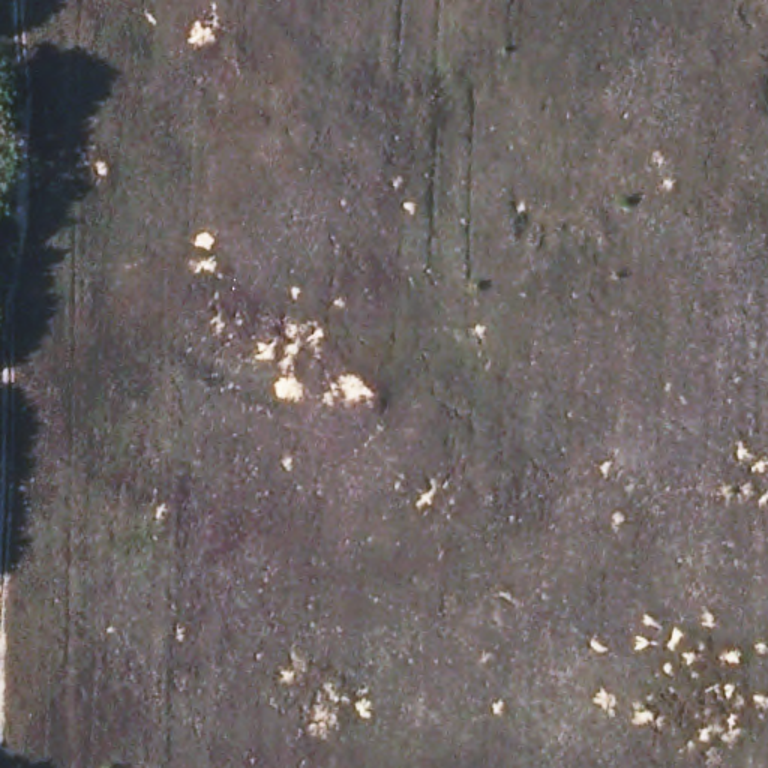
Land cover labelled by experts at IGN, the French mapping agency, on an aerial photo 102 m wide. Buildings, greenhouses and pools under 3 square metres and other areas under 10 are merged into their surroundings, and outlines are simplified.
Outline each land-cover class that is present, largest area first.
<instances>
[{"label":"herbaceous vegetation","instance_id":"1","mask_svg":"<svg viewBox=\"0 0 768 768\"><path fill-rule=\"evenodd\" d=\"M210 3H213V0H0V36H18V45H36L30 60H12L6 66V90L12 96L6 129L27 141V156L18 159V174L3 195L9 210L6 216H0V576H9L6 732L0 738V768H768V0H216V3H219V30L213 33V39H210V42H204V45H195V42H192V27H195V24H201V27H204L207 21H210ZM303 321H318L324 330L321 342L339 357V363L354 378H360L372 390L375 408L381 411L384 423L381 444H390L396 465L405 474L399 492H372L357 501L354 513H339L327 507L321 495H312L306 504H297V489L288 480V468H282V459L294 456L303 444V411L291 399L276 396V390H270L264 381L231 375L237 357L255 354L261 342L270 345L276 336L288 330V324ZM618 414L642 420L645 441H654L651 459L657 477H639L636 492H627V486L612 471L600 474V465L609 456L603 435L615 426ZM645 615H651L657 624L669 630H681V642L675 648L639 651L636 630ZM327 681H333L336 690L354 702H360L357 690L366 687L369 717H360L357 711L339 705L336 726H330L327 735L318 738L309 732V723L315 717L318 693ZM729 714L738 717L735 741H723L714 735L708 741L699 738V729L711 723L726 726Z\"/></svg>","mask_w":768,"mask_h":768},{"label":"bare soil","instance_id":"2","mask_svg":"<svg viewBox=\"0 0 768 768\"><path fill-rule=\"evenodd\" d=\"M219 30V3H216V0H213V3H210V21H207L204 27H201V24H195V27H192V42H195V45H204V42H210V39H213V33ZM324 330L318 321H303L288 324V330L276 336L270 345L261 342L255 354L237 357L231 375L264 381L270 390H276V396L291 399L303 411V444L294 456L282 459V468H288V480L297 489V504H306L312 495H321L327 507L339 513H354L357 501L372 492H399L405 474L396 465L390 444H381L384 423L381 411L375 408L372 390L360 378H354L339 363V357L321 342ZM609 456L600 465V474L612 471L627 486V492H636L639 477H657L651 459L654 441H645L642 420L618 414L615 426L603 435ZM681 642V630H669L657 624L651 615H645L636 630L639 651L675 648ZM360 702H354L336 690L333 681H327L318 693L315 717L309 723V732L318 738L327 735L330 726H336L339 705L357 711L360 717H369L366 687L357 690ZM714 735L723 741H735L738 717L729 714L726 726L711 723L699 729V738L708 741Z\"/></svg>","mask_w":768,"mask_h":768},{"label":"brushwood","instance_id":"3","mask_svg":"<svg viewBox=\"0 0 768 768\"><path fill-rule=\"evenodd\" d=\"M36 45H18V36H0V216H6L9 210L3 195L18 174V159L27 156V141L6 129L12 96L6 90V66L12 60H30Z\"/></svg>","mask_w":768,"mask_h":768},{"label":"pervious surface","instance_id":"4","mask_svg":"<svg viewBox=\"0 0 768 768\"><path fill-rule=\"evenodd\" d=\"M9 576H0V738L6 732Z\"/></svg>","mask_w":768,"mask_h":768}]
</instances>
